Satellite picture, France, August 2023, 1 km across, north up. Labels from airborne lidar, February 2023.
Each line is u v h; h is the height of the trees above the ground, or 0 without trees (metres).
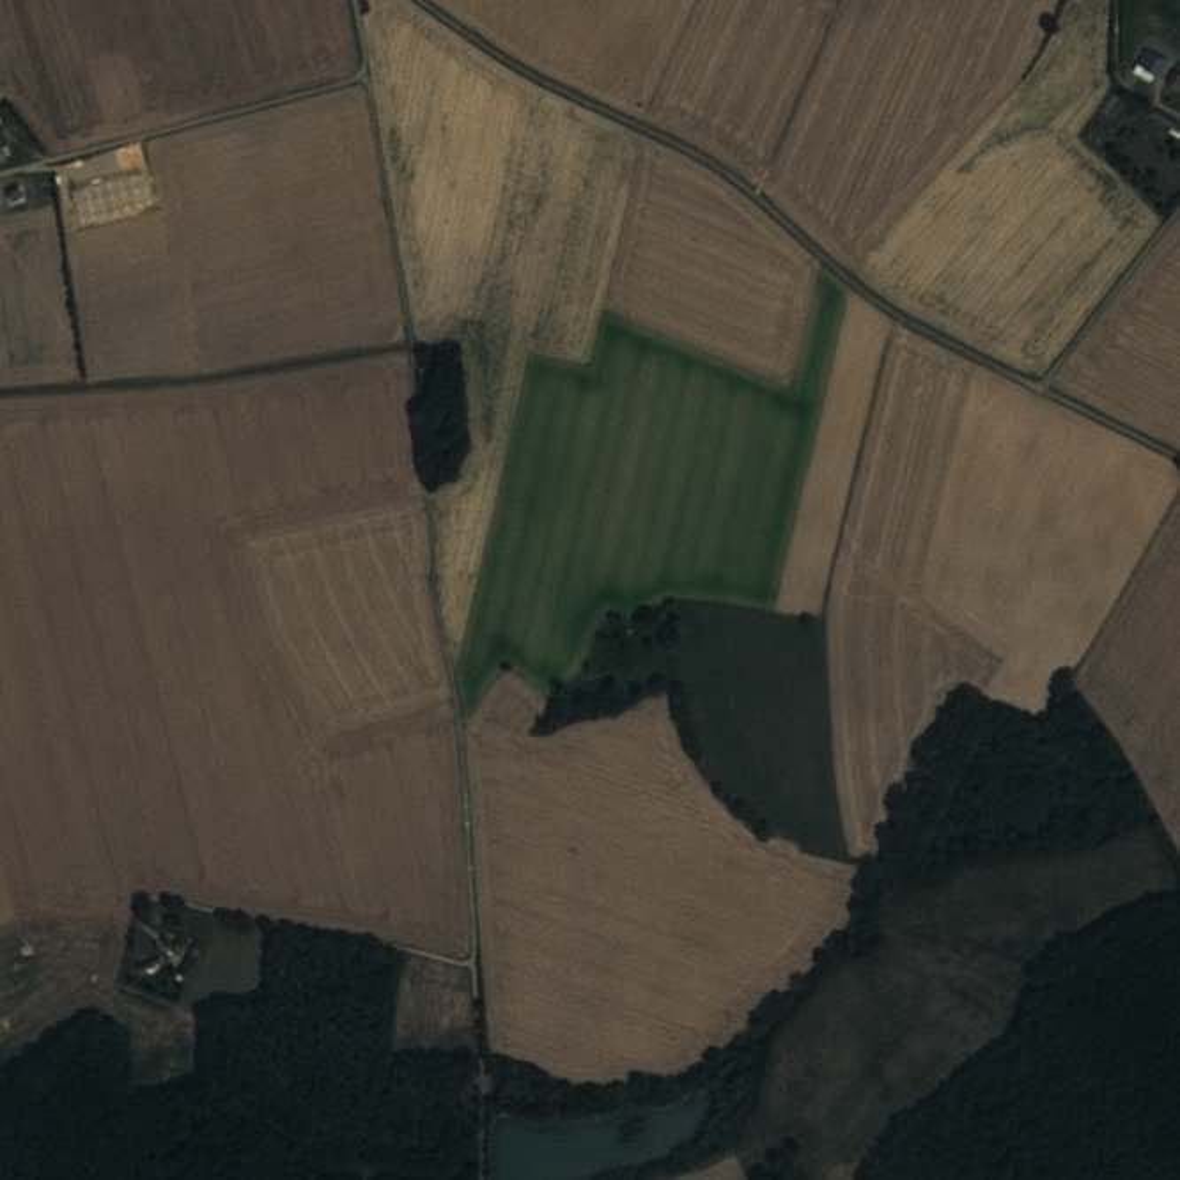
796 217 0
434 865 0
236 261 0
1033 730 14
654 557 0
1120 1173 17
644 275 0
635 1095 11
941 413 0
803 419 0
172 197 0
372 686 0
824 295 0
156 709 0
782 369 0
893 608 0
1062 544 0
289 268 0
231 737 0
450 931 0
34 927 0
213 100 0
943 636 0
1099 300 0
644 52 0
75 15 0
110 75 0
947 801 15
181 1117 28
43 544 0
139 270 0
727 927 0
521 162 0
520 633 0
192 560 0
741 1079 14
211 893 0
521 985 0
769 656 0
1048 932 0
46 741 0
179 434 0
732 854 0
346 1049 25
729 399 0
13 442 0
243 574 0
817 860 0
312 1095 26
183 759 0
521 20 0
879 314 0
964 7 0
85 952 0
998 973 0
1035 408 0
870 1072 0
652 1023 0
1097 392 0
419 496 0
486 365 0
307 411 0
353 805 0
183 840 0
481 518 0
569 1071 0
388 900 0
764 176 0
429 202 0
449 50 0
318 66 0
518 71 0
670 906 0
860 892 15
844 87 0
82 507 0
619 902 0
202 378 0
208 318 0
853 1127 0
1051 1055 20
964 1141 17
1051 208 0
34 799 0
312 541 0
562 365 0
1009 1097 18
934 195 0
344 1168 22
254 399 0
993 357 0
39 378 0
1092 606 0
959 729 17
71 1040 18
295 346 0
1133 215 0
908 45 0
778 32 0
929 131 0
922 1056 0
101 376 0
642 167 0
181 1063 0
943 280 0
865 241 0
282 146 0
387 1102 24
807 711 0
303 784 0
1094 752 16
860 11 0
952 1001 0
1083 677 0
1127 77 0
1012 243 0
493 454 0
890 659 0
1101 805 17
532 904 0
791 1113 0
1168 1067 18
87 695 0
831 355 0
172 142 0
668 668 0
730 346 0
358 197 0
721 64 0
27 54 0
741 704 0
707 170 0
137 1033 0
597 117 0
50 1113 22
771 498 0
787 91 0
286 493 0
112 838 0
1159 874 0
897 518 0
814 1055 0
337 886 0
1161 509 0
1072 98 0
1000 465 0
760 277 0
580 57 0
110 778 0
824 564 0
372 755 0
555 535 0
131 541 0
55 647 0
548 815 0
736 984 0
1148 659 0
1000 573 0
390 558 0
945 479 0
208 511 0
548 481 0
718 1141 10
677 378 0
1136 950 12
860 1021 0
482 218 0
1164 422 0
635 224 0
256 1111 26
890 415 0
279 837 0
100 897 0
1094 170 0
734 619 0
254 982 0
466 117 0
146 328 0
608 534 0
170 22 0
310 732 0
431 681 0
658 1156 0
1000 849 11
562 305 0
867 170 0
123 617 0
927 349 0
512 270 0
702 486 0
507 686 0
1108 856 0
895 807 17
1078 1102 20
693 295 0
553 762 0
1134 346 0
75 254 0
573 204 0
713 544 0
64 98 0
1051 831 13
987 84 0
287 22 0
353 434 0
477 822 0
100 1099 20
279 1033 27
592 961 0
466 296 0
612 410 0
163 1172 24
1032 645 0
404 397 0
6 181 0
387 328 0
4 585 0
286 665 0
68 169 0
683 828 0
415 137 0
